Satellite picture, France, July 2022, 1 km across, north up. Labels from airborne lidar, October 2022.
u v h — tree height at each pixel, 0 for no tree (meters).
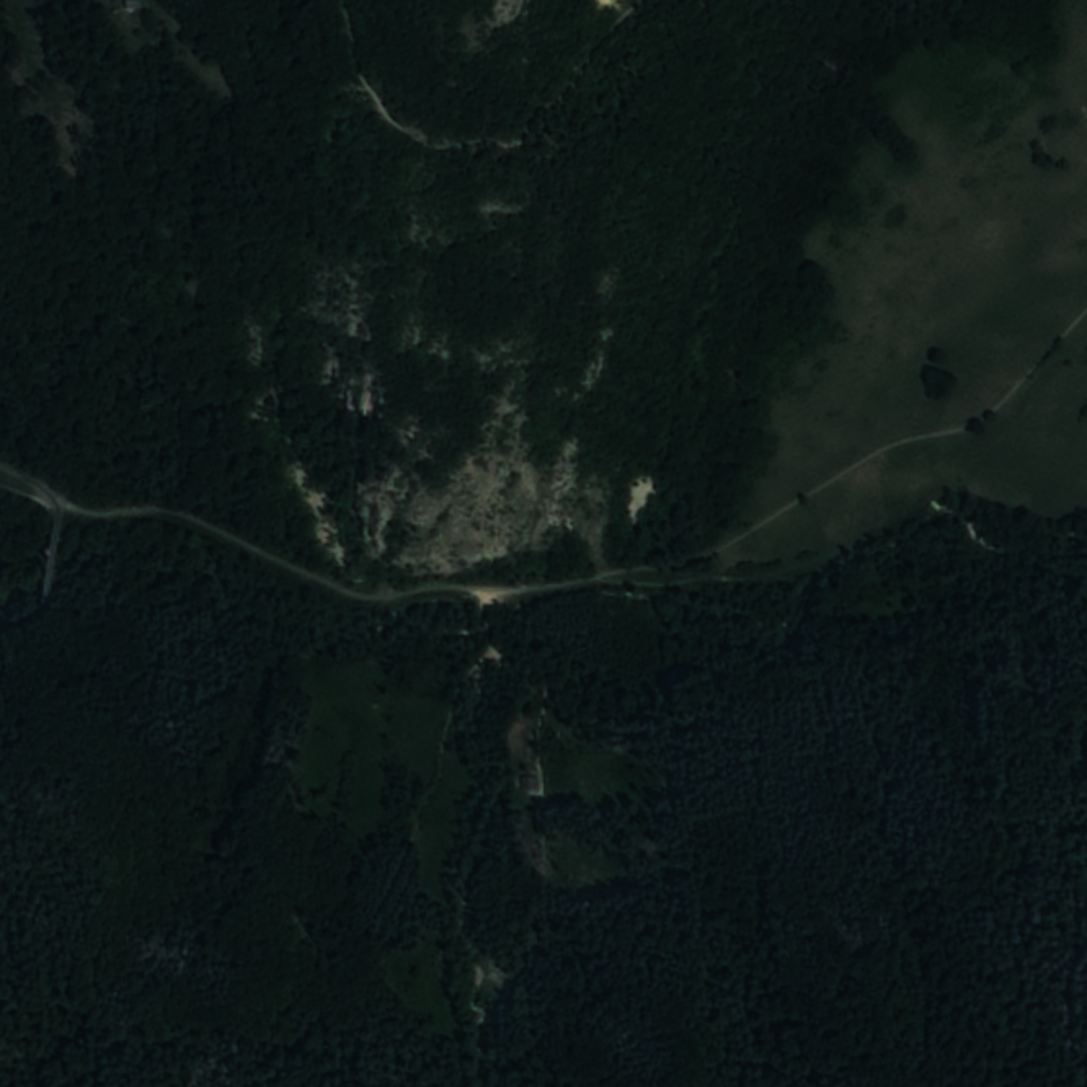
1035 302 0
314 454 16
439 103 12
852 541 0
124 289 24
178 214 27
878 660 36
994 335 0
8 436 27
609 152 18
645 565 11
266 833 29
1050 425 0
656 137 22
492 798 22
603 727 11
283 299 22
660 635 6
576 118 18
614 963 31
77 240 19
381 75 10
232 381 35
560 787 0
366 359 9
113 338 29
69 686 31
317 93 15
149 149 19
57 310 26
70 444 17
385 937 20
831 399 0
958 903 30
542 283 14
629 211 17
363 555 19
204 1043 33
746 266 30
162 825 22
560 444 11
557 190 11
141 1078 27
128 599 24
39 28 10
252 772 11
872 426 0
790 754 33
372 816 0
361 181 12
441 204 7
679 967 29
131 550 21
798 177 31
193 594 32
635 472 8
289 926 33
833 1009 34
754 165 33
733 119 21
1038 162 14
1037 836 31
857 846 25
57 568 13
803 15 31
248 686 28
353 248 12
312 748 0
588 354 14
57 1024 19
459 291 16
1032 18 9
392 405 16
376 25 14
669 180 22
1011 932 40
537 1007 26
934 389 24
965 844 36
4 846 27
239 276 18
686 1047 30
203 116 12
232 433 30
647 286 16
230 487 8
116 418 28
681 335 13
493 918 28
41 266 36
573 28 18
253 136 23
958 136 0
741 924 10
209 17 26
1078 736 38
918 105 0
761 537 0
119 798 34
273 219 24
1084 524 24
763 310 25
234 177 23
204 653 25
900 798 38
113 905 29
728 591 8
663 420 25
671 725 7
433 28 12
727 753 34
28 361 32
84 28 10
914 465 0
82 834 26
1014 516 9
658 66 19
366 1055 33
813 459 0
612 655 13
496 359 8
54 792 28
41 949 30
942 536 21
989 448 0
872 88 6
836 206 28
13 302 33
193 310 33
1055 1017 30
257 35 17
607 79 21
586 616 16
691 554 27
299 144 24
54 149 19
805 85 32
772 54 28
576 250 16
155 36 5
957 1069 32
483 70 14
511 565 6
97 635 33
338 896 32
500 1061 16
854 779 36
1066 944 26
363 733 0
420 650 17
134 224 26
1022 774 38
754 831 19
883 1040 30
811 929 32
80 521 9
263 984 30
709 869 19
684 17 19
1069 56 0
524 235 13
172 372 29
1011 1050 39
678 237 18
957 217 0
